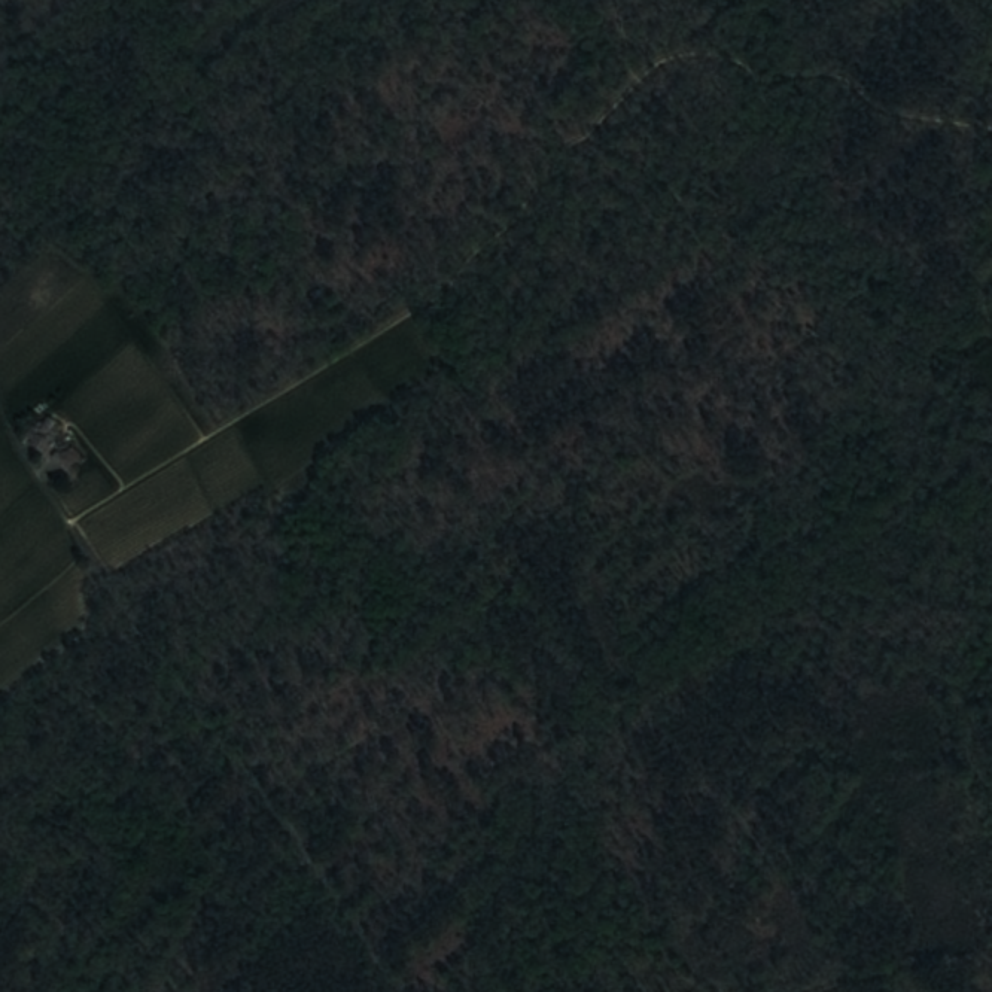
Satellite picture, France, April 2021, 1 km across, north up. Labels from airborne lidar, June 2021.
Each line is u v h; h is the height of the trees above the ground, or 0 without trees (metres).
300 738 19
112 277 19
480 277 13
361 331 25
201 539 13
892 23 8
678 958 16
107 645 21
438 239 17
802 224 24
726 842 26
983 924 7
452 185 14
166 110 15
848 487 22
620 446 23
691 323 28
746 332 15
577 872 22
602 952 23
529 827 21
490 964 22
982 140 9
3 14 20
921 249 6
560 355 7
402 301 22
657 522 15
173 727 16
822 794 21
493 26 13
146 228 21
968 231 11
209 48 6
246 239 26
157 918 21
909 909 14
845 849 12
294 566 12
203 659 18
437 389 11
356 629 12
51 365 0
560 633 20
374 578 18
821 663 16
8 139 20
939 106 16
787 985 12
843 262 23
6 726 24
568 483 21
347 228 17
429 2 19
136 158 10
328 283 14
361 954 22
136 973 23
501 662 23
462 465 14
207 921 10
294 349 14
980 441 17
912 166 20
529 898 26
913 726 8
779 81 8
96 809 23
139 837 23
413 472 13
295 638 18
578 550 25
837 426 21
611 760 20
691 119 24
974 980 20
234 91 15
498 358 23
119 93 19
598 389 19
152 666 16
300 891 8
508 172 21
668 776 20
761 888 20
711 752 20
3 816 13
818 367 16
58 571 0
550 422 18
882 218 17
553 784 21
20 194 15
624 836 13
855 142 12
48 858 17
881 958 26
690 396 18
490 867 19
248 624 19
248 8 23
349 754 17
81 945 17
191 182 18
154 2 20
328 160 16
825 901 24
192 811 13
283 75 14
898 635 8
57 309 0
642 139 23
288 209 18
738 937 7
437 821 16
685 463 21
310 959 25
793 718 25
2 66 16
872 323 20
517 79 10
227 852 16
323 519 19
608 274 14
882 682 11
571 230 24
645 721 20
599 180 18
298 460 0
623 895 19
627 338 14
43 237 14
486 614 20
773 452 19
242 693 15
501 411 17
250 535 19
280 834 16
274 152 20
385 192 21
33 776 15
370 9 14
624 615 24
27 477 0
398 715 12
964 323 22
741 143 20
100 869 16
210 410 15
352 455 21
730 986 11
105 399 0
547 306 22
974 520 22
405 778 9
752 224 8
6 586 0
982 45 22
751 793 20
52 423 0
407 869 11
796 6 18
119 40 19
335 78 16
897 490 26
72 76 24
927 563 20
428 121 16
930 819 9
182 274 22
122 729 11
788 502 17
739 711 18
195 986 15
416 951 20
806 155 20
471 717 17
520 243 14
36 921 18
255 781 19
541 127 22
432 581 20
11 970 21
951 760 16
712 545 19
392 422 25
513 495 16
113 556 0
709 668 22
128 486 0
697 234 16
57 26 19
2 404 0
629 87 14
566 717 24
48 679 16
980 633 22
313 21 19
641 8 13
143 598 16
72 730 17
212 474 0
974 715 22
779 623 22
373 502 16
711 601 25
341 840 22
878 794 14
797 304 20
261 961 18
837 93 15
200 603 19
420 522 15
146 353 0
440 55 21
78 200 16
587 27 21
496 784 23
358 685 11
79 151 25
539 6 15
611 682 26
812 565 26
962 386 14
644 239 22
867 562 24
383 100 19
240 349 17
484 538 16
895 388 17
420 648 26
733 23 23
